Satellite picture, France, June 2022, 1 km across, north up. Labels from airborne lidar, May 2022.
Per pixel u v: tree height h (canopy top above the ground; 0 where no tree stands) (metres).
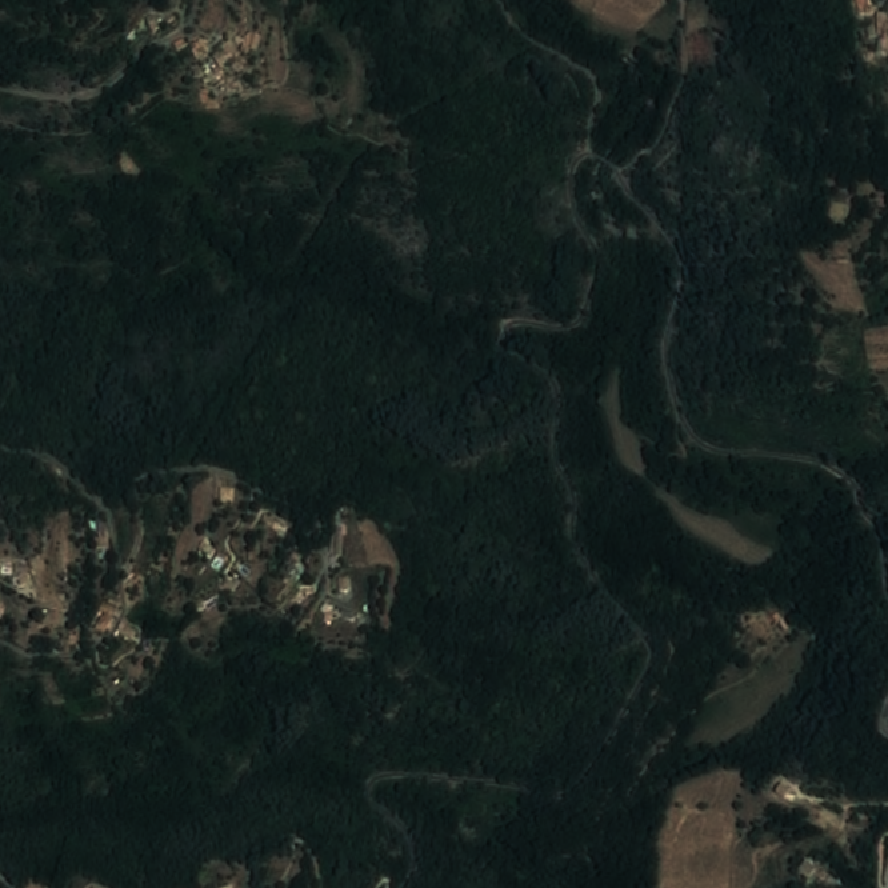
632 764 15
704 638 12
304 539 15
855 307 0
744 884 0
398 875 8
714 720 0
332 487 18
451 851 14
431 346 10
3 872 10
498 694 14
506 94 12
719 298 11
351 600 0
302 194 10
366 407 12
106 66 11
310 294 15
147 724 12
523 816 17
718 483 16
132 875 11
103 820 16
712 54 0
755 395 14
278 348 11
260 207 11
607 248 12
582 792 23
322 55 9
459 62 10
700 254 12
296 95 0
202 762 10
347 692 17
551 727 6
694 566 12
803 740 6
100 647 7
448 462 24
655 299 9
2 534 20
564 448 13
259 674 15
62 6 10
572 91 8
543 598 10
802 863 8
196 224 9
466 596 10
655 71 12
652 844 11
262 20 7
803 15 8
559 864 10
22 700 6
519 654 18
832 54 10
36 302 17
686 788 0
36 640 12
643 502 21
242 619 8
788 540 6
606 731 11
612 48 13
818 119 7
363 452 14
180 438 18
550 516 11
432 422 27
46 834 9
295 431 12
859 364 0
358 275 15
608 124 16
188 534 0
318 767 10
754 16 11
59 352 9
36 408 11
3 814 16
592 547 18
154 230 9
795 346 13
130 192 20
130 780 11
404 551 9
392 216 7
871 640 14
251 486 7
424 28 7
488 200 13
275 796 12
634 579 19
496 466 9
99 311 13
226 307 9
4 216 8
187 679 13
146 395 11
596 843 15
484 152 7
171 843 12
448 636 18
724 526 0
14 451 8
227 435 10
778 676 0
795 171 8
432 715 17
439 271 9
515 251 12
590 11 0
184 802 16
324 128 11
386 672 13
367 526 0
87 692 6
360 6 8
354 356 13
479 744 13
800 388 22
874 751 13
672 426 8
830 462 34
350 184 12
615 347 17
